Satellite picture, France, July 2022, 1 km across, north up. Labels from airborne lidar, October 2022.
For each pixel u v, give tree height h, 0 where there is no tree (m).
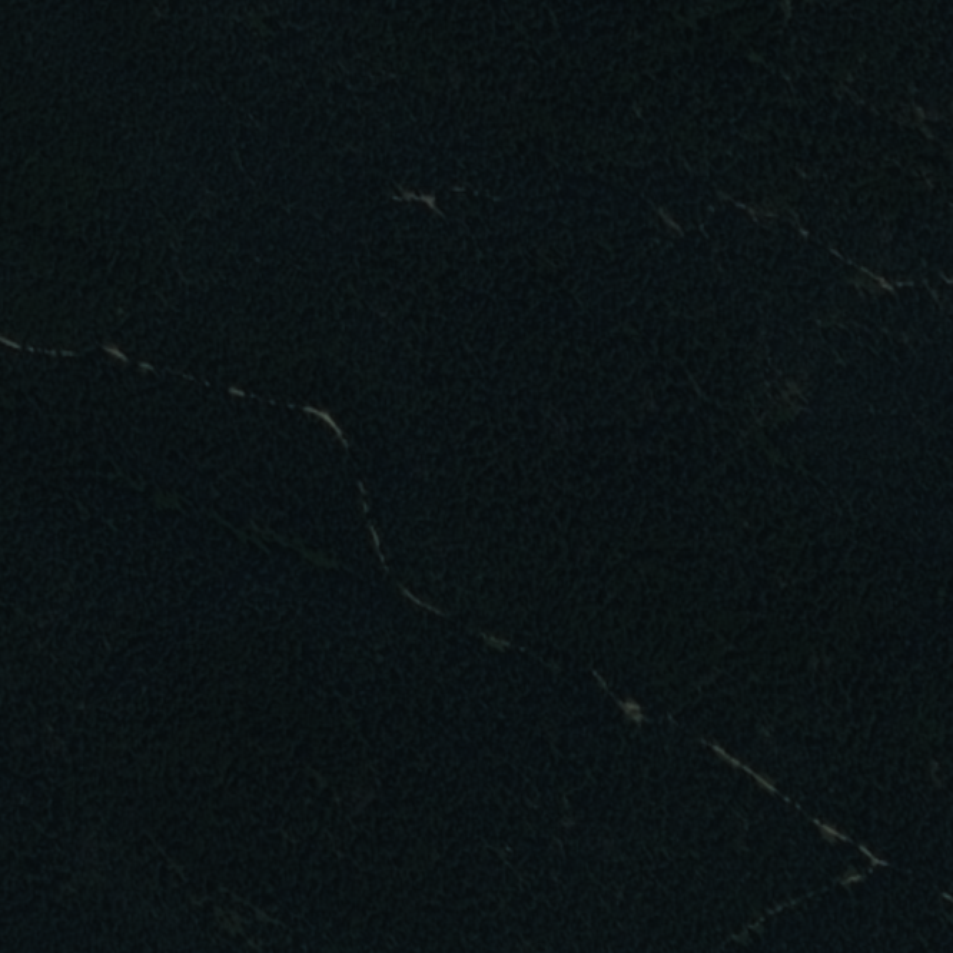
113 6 19
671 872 17
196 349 12
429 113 20
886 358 30
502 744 22
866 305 22
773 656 12
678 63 12
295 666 19
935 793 22
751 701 19
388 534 6
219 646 20
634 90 13
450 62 17
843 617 19
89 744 13
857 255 17
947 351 28
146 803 18
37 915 16
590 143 13
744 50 10
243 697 19
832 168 16
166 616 22
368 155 30
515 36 22
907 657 25
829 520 26
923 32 17
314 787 7
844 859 7
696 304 18
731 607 23
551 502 24
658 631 8
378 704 14
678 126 18
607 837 18
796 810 17
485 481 20
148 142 20
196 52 21
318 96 21
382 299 21
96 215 12
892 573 19
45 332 17
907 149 20
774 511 7
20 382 20
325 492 20
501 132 20
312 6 23
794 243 19
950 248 22
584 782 14
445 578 12
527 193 25
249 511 23
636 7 16
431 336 12
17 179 13
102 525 15
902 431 24
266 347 12
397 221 17
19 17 14
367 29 17
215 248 16
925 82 27
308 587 17
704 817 17
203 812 17
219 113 20
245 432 23
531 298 21
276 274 18
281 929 13
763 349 28
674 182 34
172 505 0
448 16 17
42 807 15
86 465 18
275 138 19
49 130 13
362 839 16
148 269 22
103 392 17
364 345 20
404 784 18
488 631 18
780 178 18
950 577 9
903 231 14
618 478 19
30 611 18
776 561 16
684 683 12
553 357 16
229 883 14
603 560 6
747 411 27
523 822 7
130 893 18
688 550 6
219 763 25
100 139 17
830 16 16
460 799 15
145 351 11
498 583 12
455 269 16
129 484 8
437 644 25
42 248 14
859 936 22
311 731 19
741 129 8
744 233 25
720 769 21
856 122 28
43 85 16
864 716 18
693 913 9
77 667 15
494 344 22
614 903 19
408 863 19
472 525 21
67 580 20
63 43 22
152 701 17
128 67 22
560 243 22
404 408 13
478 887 15
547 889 16
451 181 23
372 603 18
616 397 25
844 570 22
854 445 24
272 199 19
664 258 28
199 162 19
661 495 24
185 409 11
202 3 16
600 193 26
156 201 18
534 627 12
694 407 23
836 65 17
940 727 16
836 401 26
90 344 14
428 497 21
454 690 24
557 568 9
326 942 22
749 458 22
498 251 19
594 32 26
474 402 22
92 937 22
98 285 19
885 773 21
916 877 7
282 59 25
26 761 12
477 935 14
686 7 18
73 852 18
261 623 24
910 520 17
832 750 14
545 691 27
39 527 14
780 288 22
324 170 20
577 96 14
